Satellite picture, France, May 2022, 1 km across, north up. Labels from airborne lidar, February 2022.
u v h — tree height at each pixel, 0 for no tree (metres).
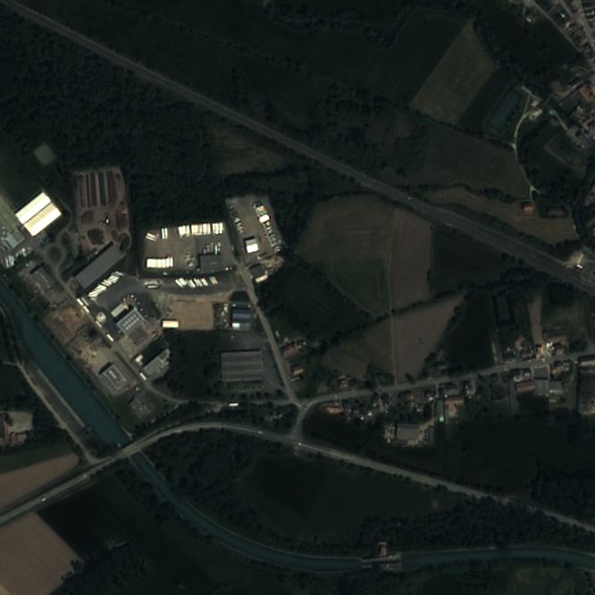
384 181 0
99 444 0
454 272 0
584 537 10
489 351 0
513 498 0
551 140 0
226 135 0
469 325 0
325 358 0
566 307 0
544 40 0
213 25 0
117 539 0
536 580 0
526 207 0
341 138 12
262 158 0
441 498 0
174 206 19
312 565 0
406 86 0
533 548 0
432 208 0
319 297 0
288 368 0
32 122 18
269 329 0
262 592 0
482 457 0
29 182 0
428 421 0
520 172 0
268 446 11
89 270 0
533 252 0
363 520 0
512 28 0
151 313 0
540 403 0
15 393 0
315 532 0
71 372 0
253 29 0
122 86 13
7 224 0
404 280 0
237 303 0
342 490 0
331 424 0
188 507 0
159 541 0
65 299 0
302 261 10
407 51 0
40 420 11
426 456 0
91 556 0
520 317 0
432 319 0
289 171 15
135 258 0
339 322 0
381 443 0
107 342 0
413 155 7
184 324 0
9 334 11
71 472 0
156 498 23
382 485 0
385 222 0
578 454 0
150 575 0
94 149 18
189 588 0
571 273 0
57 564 0
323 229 0
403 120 0
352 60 0
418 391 0
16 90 23
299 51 0
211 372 18
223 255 0
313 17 15
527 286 27
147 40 0
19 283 0
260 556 0
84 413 0
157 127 18
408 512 0
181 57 0
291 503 0
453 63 0
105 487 0
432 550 0
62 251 0
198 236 0
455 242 0
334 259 0
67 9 0
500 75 0
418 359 0
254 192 14
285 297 0
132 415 0
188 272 0
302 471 0
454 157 0
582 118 0
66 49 16
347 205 0
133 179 18
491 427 0
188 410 16
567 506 27
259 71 0
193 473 20
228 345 0
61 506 0
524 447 0
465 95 0
